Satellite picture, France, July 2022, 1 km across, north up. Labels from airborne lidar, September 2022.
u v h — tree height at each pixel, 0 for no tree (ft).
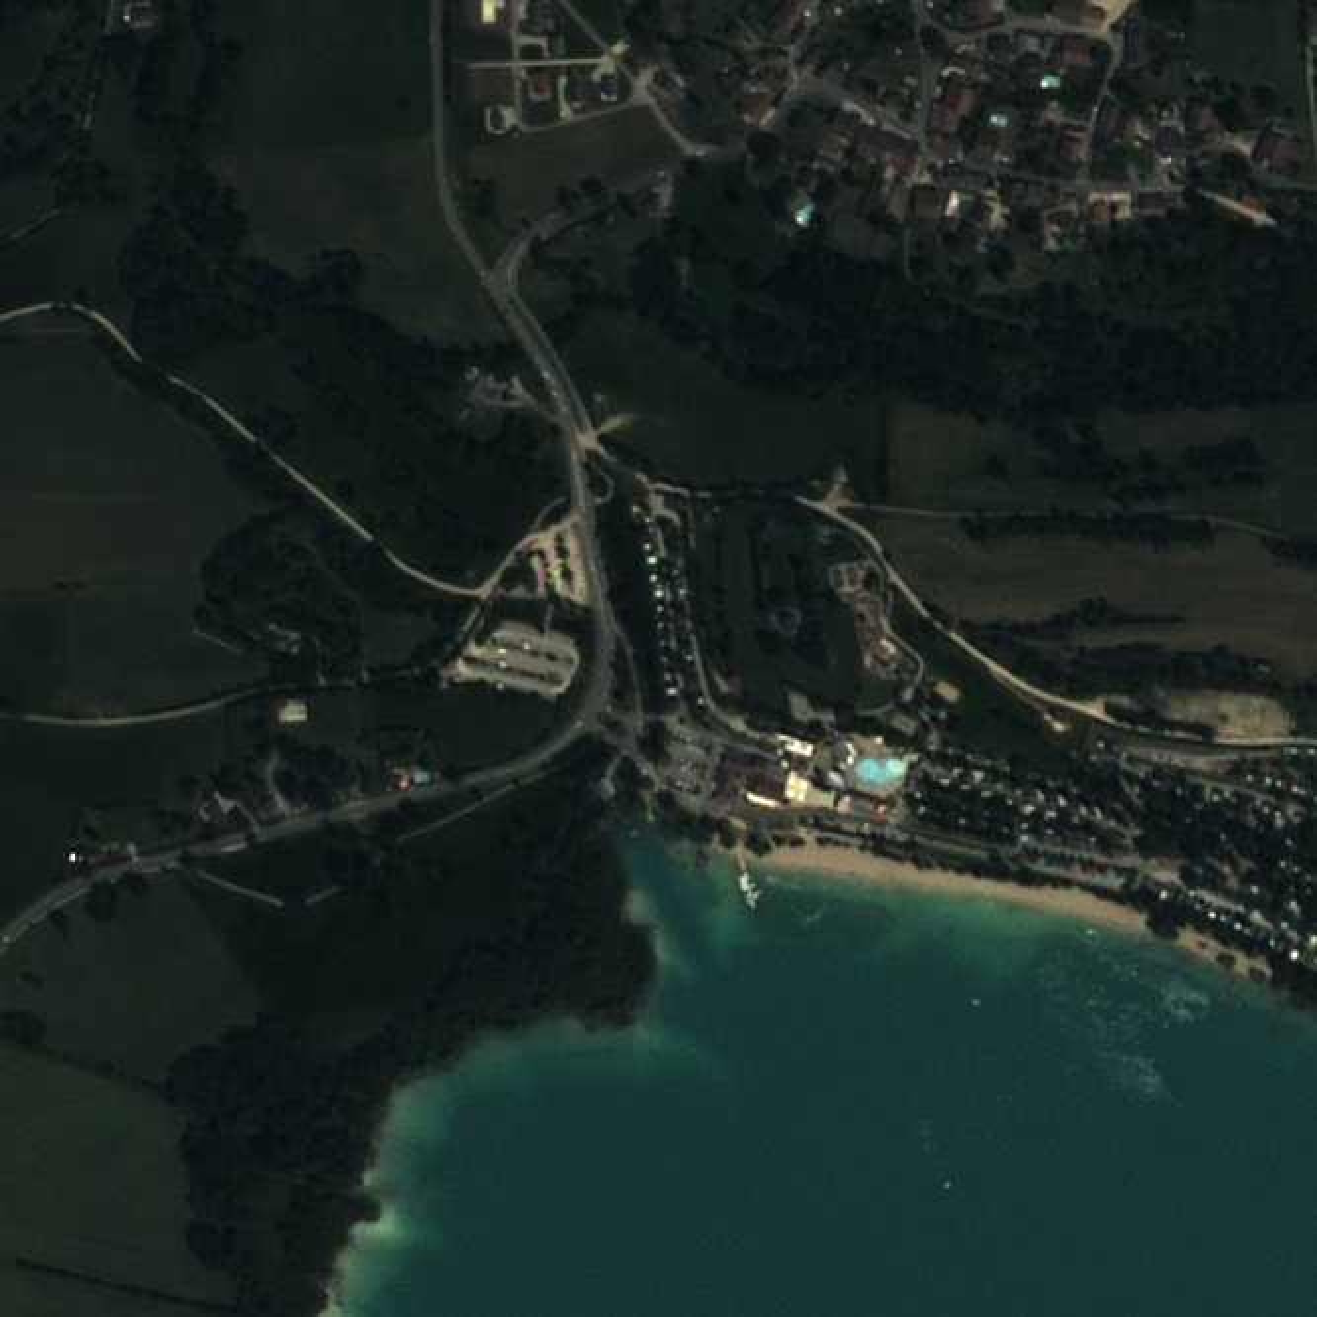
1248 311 110
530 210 0
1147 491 25
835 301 69
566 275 21
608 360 0
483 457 58
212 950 0
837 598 52
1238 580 0
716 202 0
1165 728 23
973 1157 0
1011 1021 0
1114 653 36
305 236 0
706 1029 0
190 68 0
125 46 60
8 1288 0
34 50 0
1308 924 41
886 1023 0
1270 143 0
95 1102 0
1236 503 0
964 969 0
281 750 55
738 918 0
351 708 0
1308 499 0
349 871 60
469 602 36
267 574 27
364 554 39
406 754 30
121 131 0
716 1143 0
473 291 0
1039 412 78
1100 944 0
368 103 0
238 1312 23
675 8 0
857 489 0
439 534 62
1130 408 62
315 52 0
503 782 0
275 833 0
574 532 0
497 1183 0
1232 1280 0
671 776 0
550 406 0
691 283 0
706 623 59
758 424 0
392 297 0
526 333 0
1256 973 25
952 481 0
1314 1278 0
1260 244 85
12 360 0
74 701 0
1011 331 25
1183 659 21
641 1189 0
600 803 53
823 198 65
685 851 0
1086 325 89
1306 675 0
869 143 0
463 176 0
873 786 0
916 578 0
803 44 0
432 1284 0
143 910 0
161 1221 0
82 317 35
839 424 0
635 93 0
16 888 0
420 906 0
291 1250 32
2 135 0
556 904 57
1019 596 0
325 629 26
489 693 21
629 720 0
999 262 28
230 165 0
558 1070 0
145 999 0
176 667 0
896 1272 0
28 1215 0
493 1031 31
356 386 0
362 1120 23
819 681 0
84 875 48
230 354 0
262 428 72
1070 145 0
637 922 0
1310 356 21
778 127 0
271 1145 64
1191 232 67
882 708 0
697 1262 0
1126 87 40
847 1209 0
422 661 53
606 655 0
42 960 0
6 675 0
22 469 0
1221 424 0
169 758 0
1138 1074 0
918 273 51
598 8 0
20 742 0
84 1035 0
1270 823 51
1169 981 0
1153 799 53
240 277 92
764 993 0
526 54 0
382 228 0
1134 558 0
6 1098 0
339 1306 0
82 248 0
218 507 0
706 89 0
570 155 0
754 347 99
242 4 0
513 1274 0
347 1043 0
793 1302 0
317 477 0
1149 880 0
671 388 0
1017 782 50
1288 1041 0
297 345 73
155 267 85
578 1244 0
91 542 0
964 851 0
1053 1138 0
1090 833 42
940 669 0
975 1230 0
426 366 48
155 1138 0
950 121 0
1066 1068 0
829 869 0
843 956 0
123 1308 0
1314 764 33
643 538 45
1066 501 0
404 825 47
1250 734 0
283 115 0
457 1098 0
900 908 0
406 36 0
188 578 0
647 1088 0
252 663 0
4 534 0
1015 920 0
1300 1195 0
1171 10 44
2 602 0
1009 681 0
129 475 0
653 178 0
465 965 24
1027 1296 0
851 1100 0
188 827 48
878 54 0
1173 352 81
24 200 0
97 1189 0
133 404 0
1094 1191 0
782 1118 0
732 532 0
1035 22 0
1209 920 19
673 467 0
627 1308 0
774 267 0
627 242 0
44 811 0
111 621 0
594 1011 29
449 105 19
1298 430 0
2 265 0
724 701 27
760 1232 0
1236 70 0
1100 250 20
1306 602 0
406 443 0
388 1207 0
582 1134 0
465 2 0
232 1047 47
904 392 52
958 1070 0
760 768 0
